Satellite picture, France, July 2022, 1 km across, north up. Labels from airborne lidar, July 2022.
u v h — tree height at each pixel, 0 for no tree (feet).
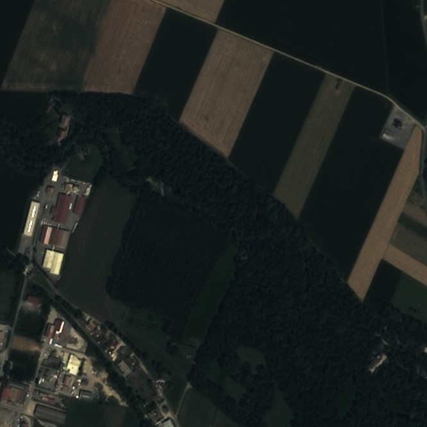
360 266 0
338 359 94
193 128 0
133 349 40
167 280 81
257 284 62
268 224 81
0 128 66
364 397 86
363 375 64
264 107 0
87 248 0
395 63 0
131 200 0
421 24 0
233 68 0
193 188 77
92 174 0
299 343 93
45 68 0
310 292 68
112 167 46
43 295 46
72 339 0
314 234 0
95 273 0
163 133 98
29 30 0
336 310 83
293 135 0
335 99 0
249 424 74
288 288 96
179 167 72
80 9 0
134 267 83
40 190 0
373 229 0
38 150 62
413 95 0
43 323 25
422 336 75
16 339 0
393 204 0
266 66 0
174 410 0
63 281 0
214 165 50
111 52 0
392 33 0
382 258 0
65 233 0
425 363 107
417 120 0
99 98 71
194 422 0
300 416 74
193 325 0
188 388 0
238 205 94
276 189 0
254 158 0
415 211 0
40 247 0
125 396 41
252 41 0
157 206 90
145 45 0
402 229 0
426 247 0
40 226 0
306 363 117
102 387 0
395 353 34
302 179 0
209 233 90
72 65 0
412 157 0
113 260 0
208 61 0
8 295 0
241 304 85
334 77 0
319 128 0
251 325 90
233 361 119
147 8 0
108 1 0
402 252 0
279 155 0
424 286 0
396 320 76
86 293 0
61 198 0
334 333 76
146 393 0
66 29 0
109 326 46
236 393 0
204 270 82
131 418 0
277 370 75
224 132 0
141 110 60
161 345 0
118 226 0
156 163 78
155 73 0
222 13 0
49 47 0
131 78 0
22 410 0
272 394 65
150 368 0
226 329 88
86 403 0
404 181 0
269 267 104
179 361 0
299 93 0
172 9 0
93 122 40
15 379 23
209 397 58
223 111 0
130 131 84
